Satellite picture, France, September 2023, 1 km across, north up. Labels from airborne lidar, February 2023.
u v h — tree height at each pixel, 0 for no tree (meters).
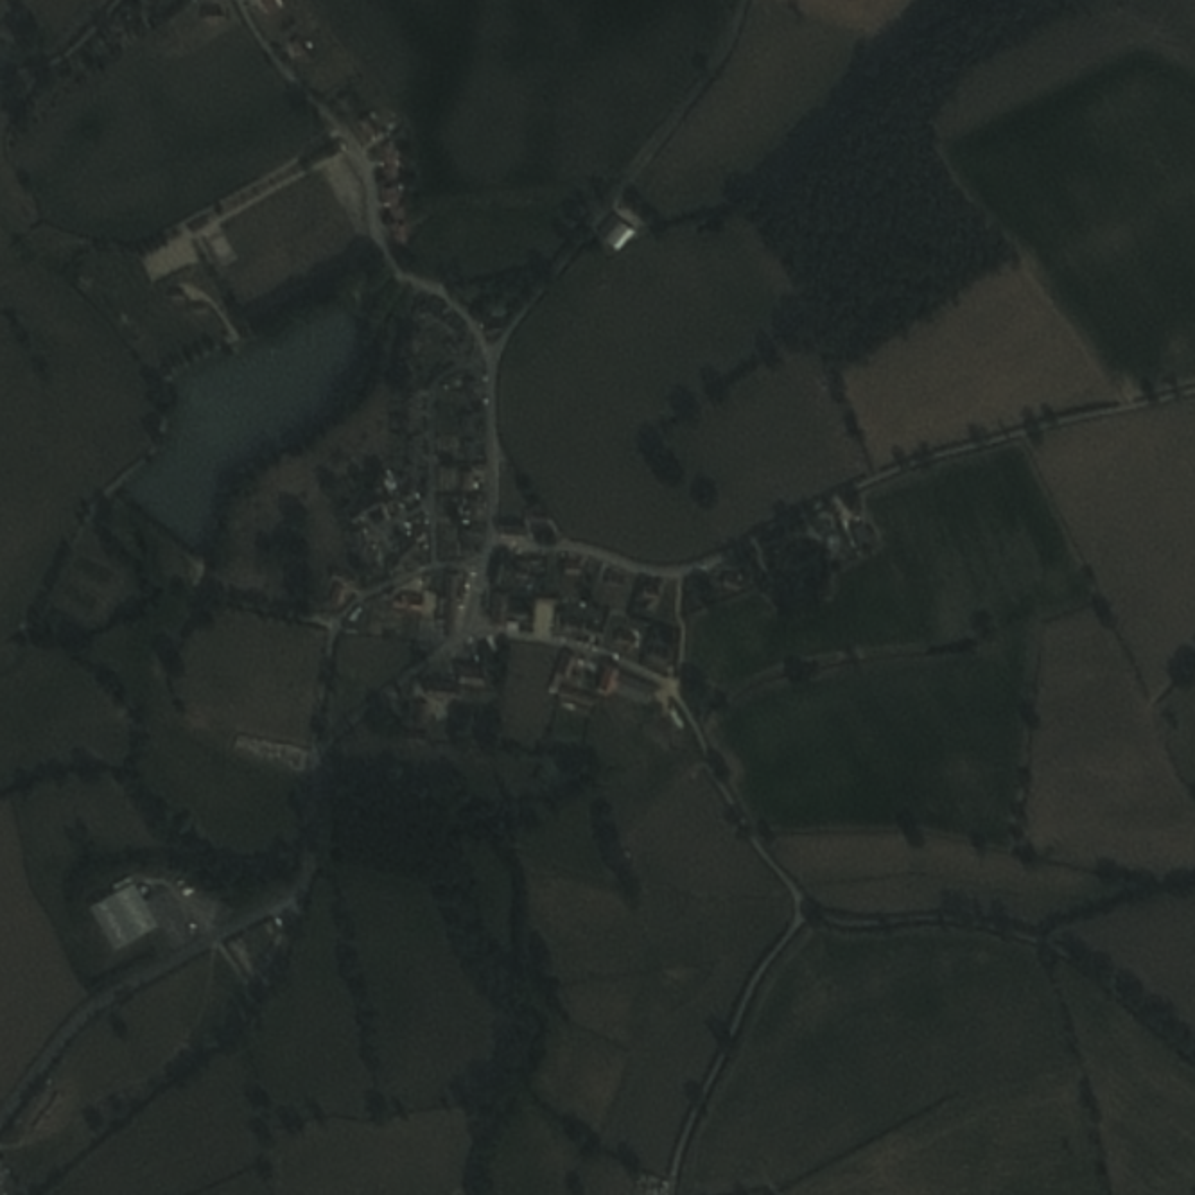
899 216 19
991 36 9
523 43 0
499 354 0
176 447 0
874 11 0
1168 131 0
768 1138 0
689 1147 0
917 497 0
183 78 0
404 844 29
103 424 0
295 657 0
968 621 0
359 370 17
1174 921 0
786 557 12
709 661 0
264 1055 0
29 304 0
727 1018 0
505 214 0
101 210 0
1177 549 0
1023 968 0
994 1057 0
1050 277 0
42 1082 6
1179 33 0
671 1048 0
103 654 0
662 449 17
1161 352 0
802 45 0
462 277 17
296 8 0
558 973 0
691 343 0
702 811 0
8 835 0
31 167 0
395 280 16
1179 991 0
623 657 0
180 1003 0
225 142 0
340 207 0
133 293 0
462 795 13
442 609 0
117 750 0
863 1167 0
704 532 0
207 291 0
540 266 17
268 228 0
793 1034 0
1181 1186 0
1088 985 0
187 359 10
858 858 0
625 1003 0
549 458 0
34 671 0
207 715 0
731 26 0
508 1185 0
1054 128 0
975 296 0
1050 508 0
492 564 7
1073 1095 0
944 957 0
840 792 0
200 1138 0
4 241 0
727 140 0
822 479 0
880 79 23
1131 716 0
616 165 0
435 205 0
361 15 0
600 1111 0
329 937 0
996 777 0
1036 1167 0
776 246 23
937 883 0
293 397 0
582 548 0
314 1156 0
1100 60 0
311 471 0
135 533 0
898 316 16
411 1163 0
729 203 14
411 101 0
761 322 0
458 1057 0
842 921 0
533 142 0
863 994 0
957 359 0
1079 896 0
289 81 0
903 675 0
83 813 0
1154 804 0
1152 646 0
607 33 0
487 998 19
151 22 6
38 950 0
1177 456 0
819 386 0
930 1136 0
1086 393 0
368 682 0
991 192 0
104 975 0
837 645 0
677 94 0
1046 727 0
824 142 27
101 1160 0
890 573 0
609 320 0
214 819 0
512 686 0
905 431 0
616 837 16
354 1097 0
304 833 8
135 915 0
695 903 0
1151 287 0
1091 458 0
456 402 0
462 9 0
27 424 0
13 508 0
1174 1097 0
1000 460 0
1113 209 0
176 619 0
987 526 0
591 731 0
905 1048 0
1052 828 0
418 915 0
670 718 0
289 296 16
